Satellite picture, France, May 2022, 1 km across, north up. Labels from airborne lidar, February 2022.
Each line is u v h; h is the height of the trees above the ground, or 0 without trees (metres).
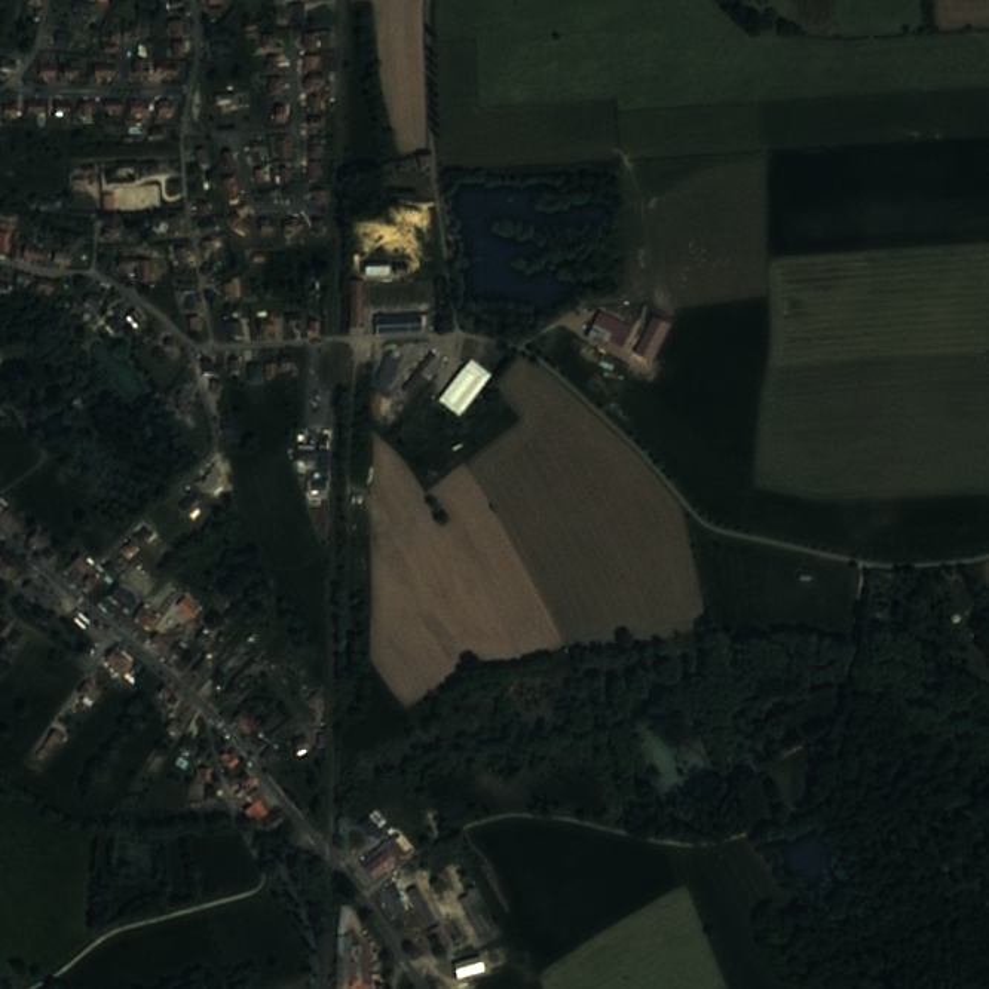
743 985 0
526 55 0
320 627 0
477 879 0
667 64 0
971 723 20
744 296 0
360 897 0
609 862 0
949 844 29
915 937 15
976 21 0
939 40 0
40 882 0
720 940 0
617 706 18
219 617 14
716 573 0
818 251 0
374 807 0
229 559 9
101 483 16
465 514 0
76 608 0
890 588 0
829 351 0
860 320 0
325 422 0
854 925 18
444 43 0
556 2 0
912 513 0
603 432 0
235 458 0
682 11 0
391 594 0
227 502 15
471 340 0
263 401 0
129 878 12
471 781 0
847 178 0
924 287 0
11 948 0
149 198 0
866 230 0
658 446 0
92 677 0
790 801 0
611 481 0
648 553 0
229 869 0
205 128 0
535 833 0
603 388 0
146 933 0
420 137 0
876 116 0
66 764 0
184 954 0
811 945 20
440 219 0
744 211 0
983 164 0
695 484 0
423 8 0
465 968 0
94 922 15
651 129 0
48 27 0
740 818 18
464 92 0
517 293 0
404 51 0
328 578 0
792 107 0
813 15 0
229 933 0
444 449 0
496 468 0
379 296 0
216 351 0
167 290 0
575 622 0
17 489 0
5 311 8
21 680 0
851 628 0
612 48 0
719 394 0
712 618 11
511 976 0
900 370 0
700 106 0
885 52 0
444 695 13
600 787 0
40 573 0
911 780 22
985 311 0
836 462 0
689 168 0
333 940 0
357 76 0
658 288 0
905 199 0
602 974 0
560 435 0
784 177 0
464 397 0
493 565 0
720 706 29
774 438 0
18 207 6
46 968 0
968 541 0
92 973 0
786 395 0
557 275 9
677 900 0
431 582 0
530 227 10
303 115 0
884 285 0
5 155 0
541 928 0
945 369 0
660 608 0
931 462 0
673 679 23
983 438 0
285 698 0
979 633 18
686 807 20
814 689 20
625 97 0
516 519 0
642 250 0
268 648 0
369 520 0
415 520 0
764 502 0
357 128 0
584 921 0
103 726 0
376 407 0
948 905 23
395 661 0
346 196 19
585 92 0
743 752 17
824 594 0
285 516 0
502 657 0
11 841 0
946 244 0
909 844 25
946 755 22
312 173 0
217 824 20
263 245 0
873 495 0
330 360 0
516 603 0
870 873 25
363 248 0
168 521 0
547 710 0
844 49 0
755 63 0
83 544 0
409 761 13
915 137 0
